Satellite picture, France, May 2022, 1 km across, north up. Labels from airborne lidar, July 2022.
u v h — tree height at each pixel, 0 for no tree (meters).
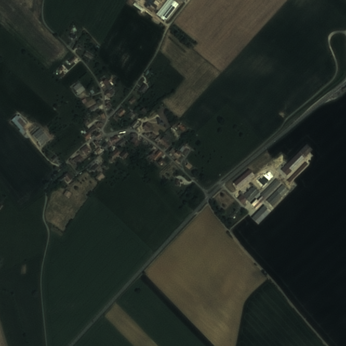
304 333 0
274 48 0
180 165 0
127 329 0
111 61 0
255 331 0
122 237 0
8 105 0
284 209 0
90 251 0
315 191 0
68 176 0
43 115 0
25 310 0
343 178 0
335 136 0
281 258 0
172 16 0
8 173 0
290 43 0
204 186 0
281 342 0
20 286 0
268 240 0
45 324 0
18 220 0
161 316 0
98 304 0
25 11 0
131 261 0
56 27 0
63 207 0
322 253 0
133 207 0
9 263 0
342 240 0
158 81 0
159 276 0
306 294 0
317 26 0
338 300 0
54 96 0
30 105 0
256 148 0
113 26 0
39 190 0
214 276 0
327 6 0
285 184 0
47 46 0
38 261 0
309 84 0
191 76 0
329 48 0
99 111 10
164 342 0
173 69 0
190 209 0
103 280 0
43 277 0
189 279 0
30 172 0
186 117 0
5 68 0
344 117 0
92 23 0
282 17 0
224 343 0
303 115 0
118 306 0
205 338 0
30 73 0
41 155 7
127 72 0
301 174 0
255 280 0
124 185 0
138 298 0
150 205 0
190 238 0
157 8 0
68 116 0
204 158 7
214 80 0
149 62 0
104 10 0
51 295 0
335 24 0
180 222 0
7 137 0
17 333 0
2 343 0
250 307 0
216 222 0
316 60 0
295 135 0
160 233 0
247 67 0
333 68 0
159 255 0
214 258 0
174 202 0
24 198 0
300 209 0
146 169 9
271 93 0
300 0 0
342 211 0
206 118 0
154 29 0
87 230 0
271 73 0
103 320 0
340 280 0
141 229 0
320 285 0
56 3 0
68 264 0
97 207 0
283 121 0
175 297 0
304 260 0
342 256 0
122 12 0
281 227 0
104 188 0
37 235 0
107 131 0
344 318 0
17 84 0
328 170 0
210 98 0
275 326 0
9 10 0
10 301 0
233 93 0
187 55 0
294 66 0
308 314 0
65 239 0
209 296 0
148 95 0
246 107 0
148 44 0
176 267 0
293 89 0
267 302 0
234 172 0
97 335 0
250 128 0
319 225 0
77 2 0
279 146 0
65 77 0
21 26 0
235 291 0
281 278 0
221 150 0
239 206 0
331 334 0
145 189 0
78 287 0
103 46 0
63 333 0
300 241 0
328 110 0
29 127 0
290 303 0
